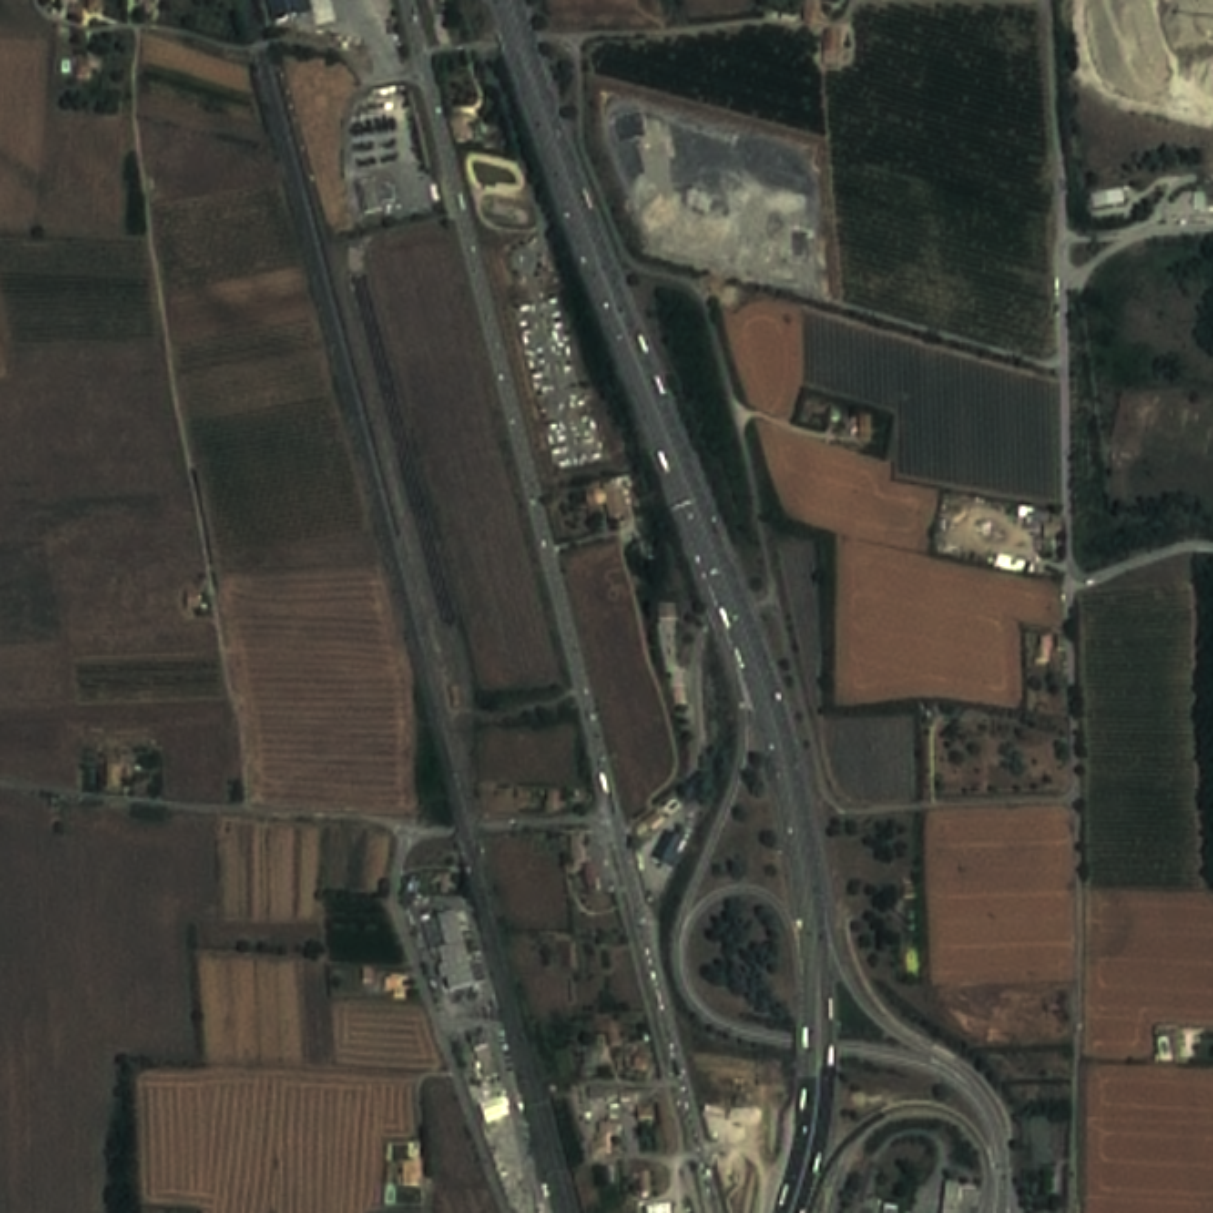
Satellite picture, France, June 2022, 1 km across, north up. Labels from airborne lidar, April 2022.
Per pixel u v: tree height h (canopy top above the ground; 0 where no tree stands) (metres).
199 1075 0
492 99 9
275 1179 0
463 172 0
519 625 0
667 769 0
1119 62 0
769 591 0
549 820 0
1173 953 0
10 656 0
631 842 11
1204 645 9
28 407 0
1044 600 0
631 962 0
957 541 0
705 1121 0
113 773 0
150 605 0
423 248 0
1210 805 9
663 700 0
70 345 0
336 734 0
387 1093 0
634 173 0
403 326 0
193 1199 0
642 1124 6
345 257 0
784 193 0
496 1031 0
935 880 0
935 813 0
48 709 0
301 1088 0
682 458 0
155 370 0
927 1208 0
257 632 0
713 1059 0
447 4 9
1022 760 6
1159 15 0
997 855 0
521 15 0
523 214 0
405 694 0
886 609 0
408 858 0
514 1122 0
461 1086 0
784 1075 0
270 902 0
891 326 12
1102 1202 0
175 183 0
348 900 8
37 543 0
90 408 0
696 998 0
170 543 0
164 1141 0
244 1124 0
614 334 0
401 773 0
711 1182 0
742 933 14
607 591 0
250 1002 0
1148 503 15
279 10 0
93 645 0
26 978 0
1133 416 0
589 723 0
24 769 0
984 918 0
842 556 0
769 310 0
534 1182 0
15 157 0
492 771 0
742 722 0
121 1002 0
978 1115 0
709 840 0
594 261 0
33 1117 0
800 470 0
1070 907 0
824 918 0
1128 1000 0
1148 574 0
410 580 0
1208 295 11
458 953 0
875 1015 0
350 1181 0
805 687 0
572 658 0
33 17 0
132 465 0
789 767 0
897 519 0
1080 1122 0
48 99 0
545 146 0
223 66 0
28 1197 0
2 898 0
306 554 0
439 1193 0
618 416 6
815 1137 0
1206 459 0
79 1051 0
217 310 0
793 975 0
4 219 0
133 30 0
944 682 0
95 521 0
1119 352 0
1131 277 0
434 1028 0
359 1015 0
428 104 0
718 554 0
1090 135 0
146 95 0
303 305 0
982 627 0
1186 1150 0
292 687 0
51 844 0
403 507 0
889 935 9
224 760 0
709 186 0
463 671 0
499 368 0
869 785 0
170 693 0
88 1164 0
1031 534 0
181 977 0
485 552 0
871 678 0
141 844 0
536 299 0
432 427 0
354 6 0
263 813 0
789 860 0
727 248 0
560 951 0
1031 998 0
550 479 0
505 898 0
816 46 6
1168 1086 0
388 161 0
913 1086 0
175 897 0
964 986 0
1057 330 0
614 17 0
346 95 0
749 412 0
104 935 0
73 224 0
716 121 0
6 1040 0
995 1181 0
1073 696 10
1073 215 7
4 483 0
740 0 0
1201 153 13
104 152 0
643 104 0
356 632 0
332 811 0
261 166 0
